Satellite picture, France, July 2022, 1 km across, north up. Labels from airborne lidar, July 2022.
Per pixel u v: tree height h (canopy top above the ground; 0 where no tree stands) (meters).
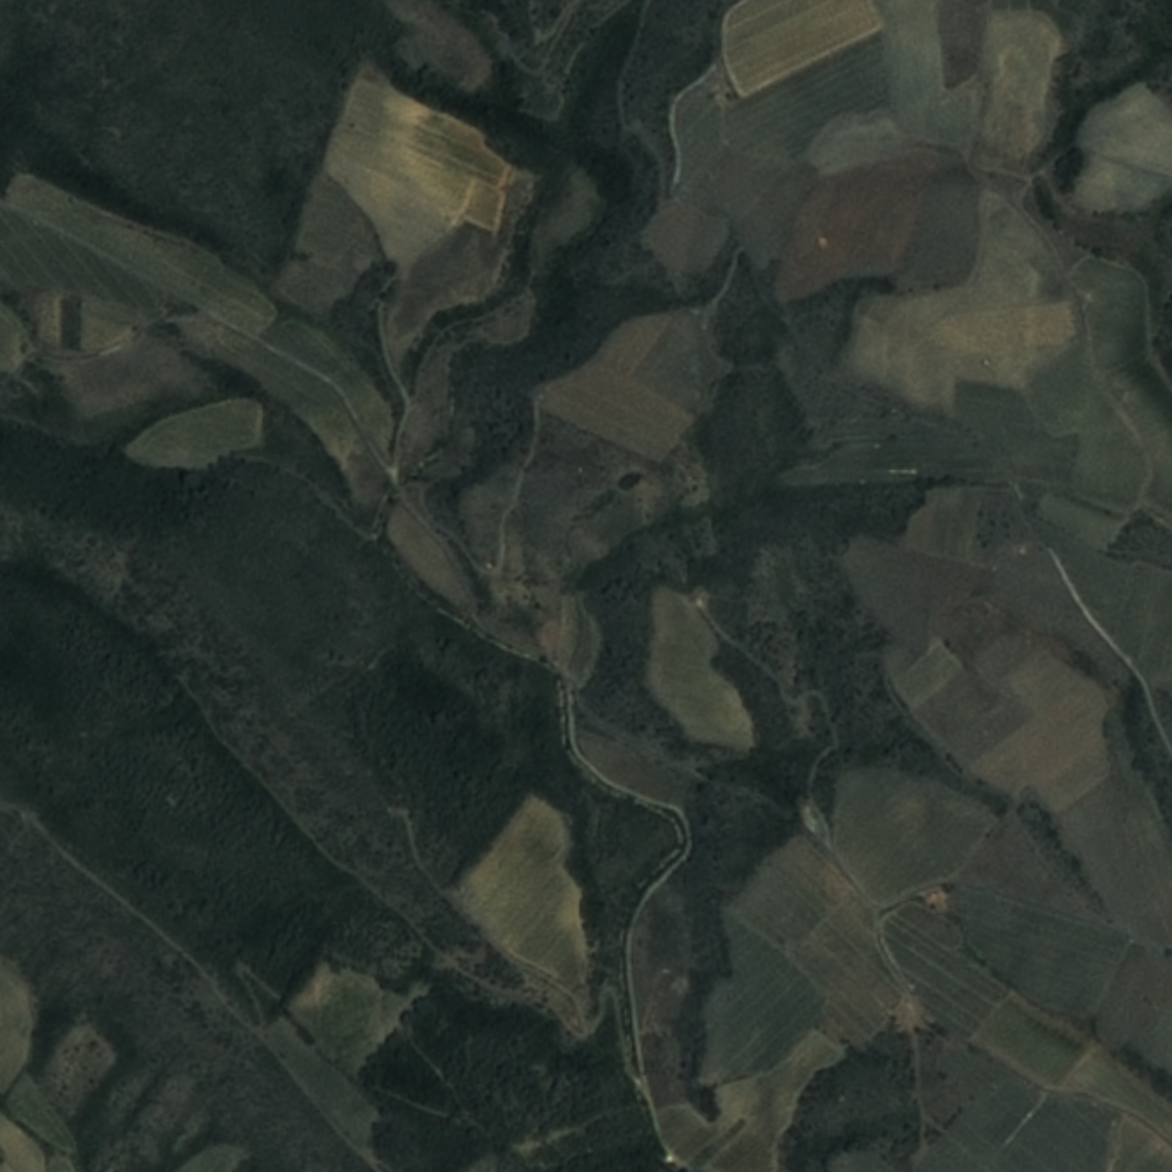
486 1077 5
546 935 0
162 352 0
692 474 0
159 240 0
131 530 10
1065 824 0
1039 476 0
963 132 0
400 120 0
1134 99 0
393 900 0
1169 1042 0
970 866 0
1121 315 0
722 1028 0
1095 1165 0
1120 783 0
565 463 0
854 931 0
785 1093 0
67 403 0
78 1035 0
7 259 0
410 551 0
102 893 0
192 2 0
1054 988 0
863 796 0
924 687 0
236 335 0
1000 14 0
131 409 0
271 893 6
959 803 0
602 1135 6
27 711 8
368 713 9
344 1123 0
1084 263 0
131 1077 0
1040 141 0
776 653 6
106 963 0
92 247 0
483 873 0
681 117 0
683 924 0
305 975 12
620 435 0
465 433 0
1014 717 0
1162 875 0
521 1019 8
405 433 0
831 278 0
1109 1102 0
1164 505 0
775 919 0
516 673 7
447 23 0
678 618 0
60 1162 0
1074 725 0
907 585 0
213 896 8
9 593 5
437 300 0
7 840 0
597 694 0
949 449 0
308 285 0
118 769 9
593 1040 6
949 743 0
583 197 0
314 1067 0
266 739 0
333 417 0
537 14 5
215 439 0
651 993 0
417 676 5
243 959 9
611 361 0
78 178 7
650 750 0
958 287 0
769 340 0
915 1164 0
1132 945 0
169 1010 0
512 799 7
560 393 0
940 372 0
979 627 0
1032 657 0
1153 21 0
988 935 0
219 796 8
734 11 0
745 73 0
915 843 0
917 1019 0
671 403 0
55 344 0
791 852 0
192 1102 0
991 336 0
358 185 0
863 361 0
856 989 0
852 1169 0
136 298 0
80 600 7
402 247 0
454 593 0
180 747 8
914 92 0
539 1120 8
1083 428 0
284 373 0
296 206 6
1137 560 0
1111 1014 0
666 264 0
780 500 0
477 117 7
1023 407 0
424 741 9
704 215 0
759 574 0
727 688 0
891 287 6
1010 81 0
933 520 0
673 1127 0
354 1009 0
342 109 0
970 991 0
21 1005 0
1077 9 0
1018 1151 0
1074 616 0
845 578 0
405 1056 13
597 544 0
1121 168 0
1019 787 0
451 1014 6
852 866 0
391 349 0
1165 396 0
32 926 0
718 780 8
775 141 0
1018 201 0
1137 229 0
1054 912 0
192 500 6
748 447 0
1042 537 0
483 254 0
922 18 0
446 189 0
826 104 0
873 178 0
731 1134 0
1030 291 0
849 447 0
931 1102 0
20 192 0
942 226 0
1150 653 0
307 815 0
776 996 0
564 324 10
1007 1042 0
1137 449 0
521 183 0
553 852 0
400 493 0
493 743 7
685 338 0
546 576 0
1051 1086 0
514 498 0
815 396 0
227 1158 0
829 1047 0
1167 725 0
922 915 0
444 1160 5
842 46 0
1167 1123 0
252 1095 0
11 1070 0
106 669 9
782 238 0
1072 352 0
